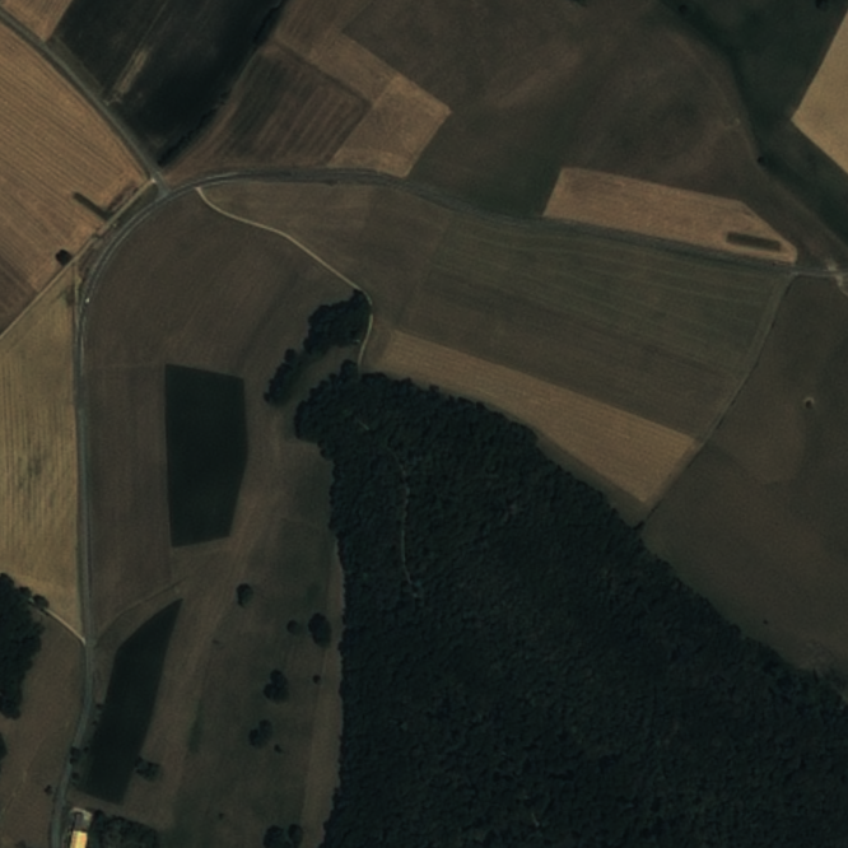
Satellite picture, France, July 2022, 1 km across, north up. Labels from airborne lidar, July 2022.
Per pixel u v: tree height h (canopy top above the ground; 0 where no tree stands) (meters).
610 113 0
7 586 19
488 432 21
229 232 0
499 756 19
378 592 17
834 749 26
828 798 20
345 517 17
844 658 0
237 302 0
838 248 0
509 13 0
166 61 0
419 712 18
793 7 0
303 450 0
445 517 7
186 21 0
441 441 11
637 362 0
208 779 0
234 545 0
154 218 0
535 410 0
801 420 0
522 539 12
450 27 0
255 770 0
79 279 0
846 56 0
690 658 21
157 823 0
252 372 0
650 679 20
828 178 0
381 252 0
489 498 8
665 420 0
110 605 0
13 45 0
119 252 0
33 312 0
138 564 0
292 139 0
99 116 0
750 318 0
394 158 0
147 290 0
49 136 0
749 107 0
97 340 0
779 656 8
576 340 0
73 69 0
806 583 0
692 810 18
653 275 0
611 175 0
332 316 18
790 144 0
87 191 0
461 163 0
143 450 0
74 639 0
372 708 20
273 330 0
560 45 0
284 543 0
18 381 0
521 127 0
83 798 0
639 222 0
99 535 0
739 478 0
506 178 0
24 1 0
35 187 0
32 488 0
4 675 24
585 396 0
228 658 0
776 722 21
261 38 11
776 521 0
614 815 25
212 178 0
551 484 27
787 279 0
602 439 0
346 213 0
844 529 0
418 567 8
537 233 0
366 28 0
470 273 0
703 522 0
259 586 0
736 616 0
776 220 0
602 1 0
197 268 0
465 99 0
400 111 0
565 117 0
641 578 22
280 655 0
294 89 0
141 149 0
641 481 0
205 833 0
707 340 0
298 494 0
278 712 0
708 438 0
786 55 0
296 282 0
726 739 20
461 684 21
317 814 0
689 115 0
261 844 0
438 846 16
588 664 15
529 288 0
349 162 0
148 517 0
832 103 0
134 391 0
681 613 23
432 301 0
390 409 17
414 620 19
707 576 0
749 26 0
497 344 0
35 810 0
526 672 16
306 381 0
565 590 16
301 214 0
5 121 0
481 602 9
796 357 0
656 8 0
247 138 0
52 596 0
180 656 0
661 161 0
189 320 0
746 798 17
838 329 0
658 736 16
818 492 0
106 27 0
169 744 0
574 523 14
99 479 0
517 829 19
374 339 0
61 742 0
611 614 15
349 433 19
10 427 0
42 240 0
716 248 0
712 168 0
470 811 18
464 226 0
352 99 0
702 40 0
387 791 19
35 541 0
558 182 0
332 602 0
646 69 0
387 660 20
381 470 23
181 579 0
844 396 0
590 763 22
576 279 0
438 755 17
